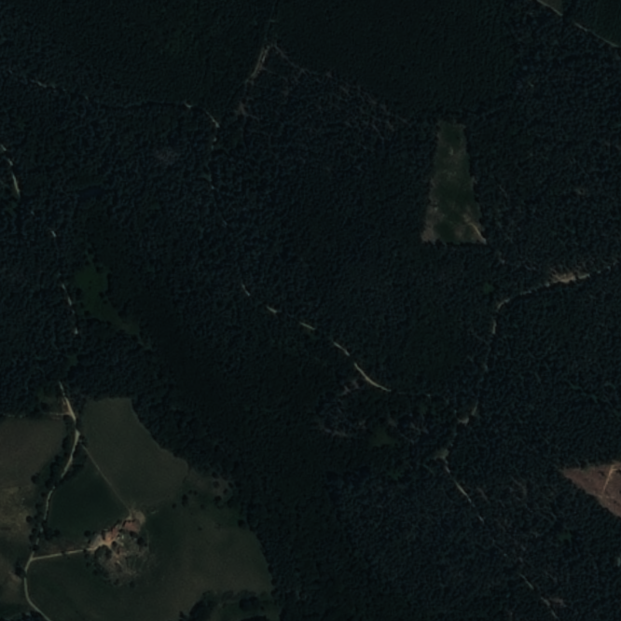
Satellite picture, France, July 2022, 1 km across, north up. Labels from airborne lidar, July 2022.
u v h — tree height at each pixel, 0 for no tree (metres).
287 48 7
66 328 24
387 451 13
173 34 10
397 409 11
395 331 18
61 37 17
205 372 13
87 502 0
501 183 24
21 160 32
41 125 23
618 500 0
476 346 25
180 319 13
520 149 19
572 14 21
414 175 15
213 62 16
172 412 23
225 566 0
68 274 22
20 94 32
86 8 13
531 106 23
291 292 23
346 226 18
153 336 13
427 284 25
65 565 0
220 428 13
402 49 9
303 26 12
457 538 43
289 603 16
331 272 19
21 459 0
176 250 22
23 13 21
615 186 21
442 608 26
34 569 0
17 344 26
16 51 28
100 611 0
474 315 26
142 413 26
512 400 26
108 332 26
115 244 12
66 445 13
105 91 29
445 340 18
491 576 29
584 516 29
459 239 0
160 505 0
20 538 0
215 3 12
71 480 12
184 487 0
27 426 0
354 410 15
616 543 26
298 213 24
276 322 23
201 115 27
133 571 0
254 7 9
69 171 24
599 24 8
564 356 24
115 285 18
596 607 30
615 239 27
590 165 31
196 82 16
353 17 9
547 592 18
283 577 15
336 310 24
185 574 0
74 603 0
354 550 18
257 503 24
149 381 22
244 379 11
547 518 29
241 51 13
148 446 0
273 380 12
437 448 26
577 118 29
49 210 20
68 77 27
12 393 25
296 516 17
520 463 24
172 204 24
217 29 18
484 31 9
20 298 23
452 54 9
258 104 11
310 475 11
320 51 9
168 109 25
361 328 9
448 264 25
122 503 0
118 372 25
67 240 31
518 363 15
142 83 18
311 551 19
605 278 24
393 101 10
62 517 0
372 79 11
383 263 21
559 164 25
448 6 11
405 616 16
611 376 14
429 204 6
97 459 0
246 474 18
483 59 9
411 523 24
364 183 21
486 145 20
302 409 14
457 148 0
